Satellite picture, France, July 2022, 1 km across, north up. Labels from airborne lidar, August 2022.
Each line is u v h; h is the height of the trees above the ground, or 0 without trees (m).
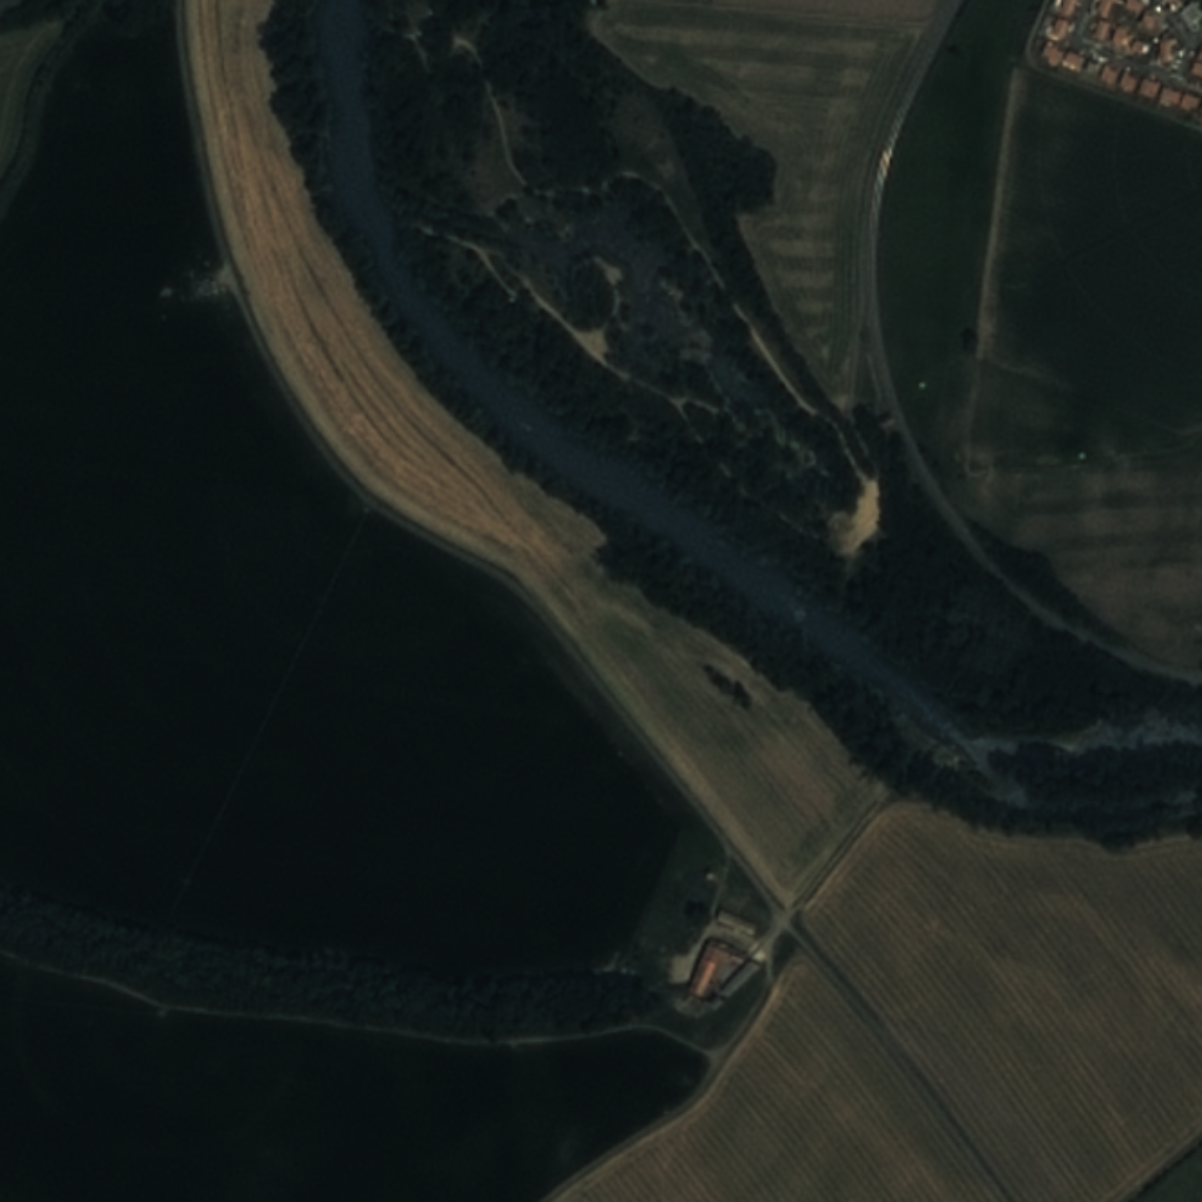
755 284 10
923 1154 0
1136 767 25
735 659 0
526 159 9
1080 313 0
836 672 21
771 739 0
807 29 0
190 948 18
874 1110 0
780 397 11
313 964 12
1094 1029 0
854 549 0
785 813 0
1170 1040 0
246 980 17
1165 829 9
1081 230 0
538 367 18
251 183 0
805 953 0
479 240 9
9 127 0
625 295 10
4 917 21
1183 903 0
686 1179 0
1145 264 0
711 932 0
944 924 0
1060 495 0
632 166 0
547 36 23
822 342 0
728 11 0
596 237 0
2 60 0
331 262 0
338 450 0
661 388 8
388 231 0
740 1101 0
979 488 0
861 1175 0
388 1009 15
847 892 0
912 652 17
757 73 0
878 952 0
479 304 12
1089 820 14
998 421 0
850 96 0
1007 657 20
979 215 0
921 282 0
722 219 10
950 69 0
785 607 0
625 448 11
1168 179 0
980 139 0
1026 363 0
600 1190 0
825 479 24
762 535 18
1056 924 0
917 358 0
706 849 0
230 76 0
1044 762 30
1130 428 0
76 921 19
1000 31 0
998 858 0
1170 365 0
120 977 9
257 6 0
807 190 0
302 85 16
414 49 7
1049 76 0
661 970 0
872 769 24
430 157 7
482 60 7
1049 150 0
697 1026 0
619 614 0
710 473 14
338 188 0
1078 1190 0
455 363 0
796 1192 0
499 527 0
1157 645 0
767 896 0
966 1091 0
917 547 15
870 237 0
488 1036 14
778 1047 0
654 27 0
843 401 0
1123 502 0
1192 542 0
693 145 9
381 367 0
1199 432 0
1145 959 0
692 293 20
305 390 0
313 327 0
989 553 16
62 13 15
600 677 0
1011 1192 0
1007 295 0
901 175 0
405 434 0
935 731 0
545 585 0
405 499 0
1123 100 0
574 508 13
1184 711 22
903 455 13
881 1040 0
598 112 12
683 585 8
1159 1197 0
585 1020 15
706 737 0
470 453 0
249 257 0
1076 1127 0
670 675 0
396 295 0
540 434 0
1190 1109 0
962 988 0
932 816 0
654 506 0
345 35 0
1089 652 18
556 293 11
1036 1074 0
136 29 16
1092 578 0
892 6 0
